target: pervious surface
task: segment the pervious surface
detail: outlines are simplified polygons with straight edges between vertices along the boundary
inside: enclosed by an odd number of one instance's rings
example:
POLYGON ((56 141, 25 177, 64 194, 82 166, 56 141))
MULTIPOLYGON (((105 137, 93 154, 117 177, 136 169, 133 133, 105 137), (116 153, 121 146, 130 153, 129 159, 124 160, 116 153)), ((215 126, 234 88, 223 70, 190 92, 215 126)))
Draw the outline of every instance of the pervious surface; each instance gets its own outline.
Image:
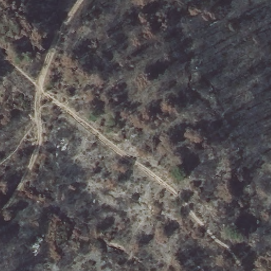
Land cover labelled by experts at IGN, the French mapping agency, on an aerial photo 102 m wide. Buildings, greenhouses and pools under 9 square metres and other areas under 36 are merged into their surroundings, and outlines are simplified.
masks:
POLYGON ((41 100, 51 98, 61 110, 66 110, 76 121, 91 128, 101 143, 115 150, 118 155, 137 157, 139 151, 126 139, 120 144, 108 140, 101 131, 98 131, 95 122, 82 118, 68 103, 59 102, 54 93, 44 89, 44 80, 50 79, 51 62, 56 52, 53 47, 64 44, 68 32, 66 24, 71 22, 84 0, 77 0, 68 18, 54 35, 52 47, 44 59, 44 67, 39 77, 34 78, 24 70, 19 66, 15 67, 36 89, 34 114, 30 114, 30 118, 37 126, 38 145, 42 144, 42 132, 46 130, 40 119, 41 100))
POLYGON ((177 191, 140 161, 134 163, 147 177, 156 180, 177 197, 177 191))

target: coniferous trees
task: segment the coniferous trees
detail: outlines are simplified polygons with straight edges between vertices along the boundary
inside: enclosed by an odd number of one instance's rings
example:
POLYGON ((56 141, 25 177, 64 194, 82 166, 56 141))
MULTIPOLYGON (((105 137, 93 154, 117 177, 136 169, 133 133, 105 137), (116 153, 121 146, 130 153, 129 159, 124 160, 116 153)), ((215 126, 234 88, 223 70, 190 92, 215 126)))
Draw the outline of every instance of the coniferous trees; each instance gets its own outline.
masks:
POLYGON ((5 59, 15 67, 19 66, 24 70, 26 66, 32 65, 31 58, 26 53, 16 54, 11 44, 13 40, 28 37, 33 47, 42 50, 40 39, 46 38, 48 34, 39 35, 35 23, 29 24, 25 21, 28 13, 24 0, 0 0, 0 48, 6 51, 5 59))
POLYGON ((128 259, 123 250, 116 247, 107 250, 107 253, 101 252, 101 258, 105 261, 102 269, 109 268, 111 271, 158 271, 165 263, 147 253, 145 245, 139 246, 138 252, 133 254, 131 259, 128 259))
POLYGON ((181 4, 181 0, 132 0, 135 5, 131 7, 131 11, 137 11, 143 33, 147 35, 150 32, 155 35, 160 32, 162 23, 170 26, 180 23, 182 17, 191 19, 193 15, 197 15, 204 21, 215 19, 215 15, 207 10, 194 8, 188 12, 181 4))
POLYGON ((145 72, 138 71, 127 80, 126 88, 129 102, 142 104, 133 114, 130 110, 121 112, 126 125, 120 128, 110 120, 114 119, 114 113, 107 95, 102 93, 101 100, 93 100, 91 90, 84 91, 87 85, 101 88, 100 76, 87 74, 76 60, 72 61, 73 51, 64 51, 64 54, 56 52, 51 62, 50 79, 44 80, 44 89, 54 93, 59 102, 68 103, 82 118, 95 122, 98 131, 101 131, 108 140, 120 144, 126 139, 139 151, 152 156, 168 171, 177 184, 177 191, 177 197, 168 205, 176 209, 176 214, 182 218, 180 228, 175 234, 178 234, 177 243, 182 252, 186 246, 193 245, 195 239, 202 248, 217 250, 220 246, 229 249, 233 243, 240 242, 239 238, 242 237, 236 233, 235 223, 230 223, 228 227, 225 225, 227 221, 224 219, 223 207, 232 200, 229 184, 218 185, 218 192, 214 194, 216 199, 207 203, 199 196, 197 188, 191 184, 195 177, 185 176, 178 167, 181 159, 176 149, 185 145, 192 150, 200 142, 200 138, 198 134, 192 134, 191 130, 186 129, 185 140, 174 145, 169 143, 167 131, 180 123, 196 123, 194 112, 179 112, 177 108, 167 105, 165 96, 157 100, 157 90, 161 84, 157 79, 149 80, 145 72))
POLYGON ((271 271, 271 245, 255 252, 257 258, 253 271, 271 271))

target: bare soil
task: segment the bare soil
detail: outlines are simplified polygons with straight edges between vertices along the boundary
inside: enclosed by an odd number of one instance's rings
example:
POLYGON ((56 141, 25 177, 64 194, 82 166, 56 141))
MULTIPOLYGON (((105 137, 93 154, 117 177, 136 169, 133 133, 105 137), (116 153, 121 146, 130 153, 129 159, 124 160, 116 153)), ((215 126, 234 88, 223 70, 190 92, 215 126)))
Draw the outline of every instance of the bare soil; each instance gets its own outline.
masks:
POLYGON ((175 234, 180 228, 182 218, 176 214, 176 209, 168 205, 177 197, 156 180, 147 177, 134 163, 140 161, 177 191, 177 184, 168 171, 152 156, 139 151, 137 157, 118 155, 115 150, 101 143, 91 128, 76 121, 66 110, 61 110, 51 98, 41 100, 40 119, 46 130, 42 132, 42 144, 38 145, 37 126, 30 118, 30 114, 34 114, 36 89, 15 67, 5 59, 6 51, 0 48, 0 271, 111 271, 109 268, 102 269, 105 261, 101 258, 101 252, 107 253, 107 250, 116 247, 123 250, 128 259, 131 259, 133 254, 138 252, 139 246, 145 245, 147 253, 165 263, 158 271, 253 271, 257 258, 255 252, 271 245, 271 0, 181 0, 181 4, 188 12, 194 8, 207 10, 215 15, 215 19, 204 21, 197 15, 193 15, 191 19, 182 17, 180 23, 170 26, 162 23, 160 32, 155 35, 150 32, 147 35, 143 33, 137 11, 131 11, 131 7, 135 5, 132 0, 84 0, 71 22, 66 24, 68 32, 64 44, 53 47, 56 52, 64 54, 64 51, 73 51, 72 61, 76 60, 87 74, 100 76, 101 88, 87 85, 84 91, 91 90, 93 100, 101 100, 102 93, 107 95, 114 113, 114 119, 110 120, 120 128, 126 125, 121 112, 130 110, 133 114, 142 104, 129 102, 126 88, 127 80, 138 71, 145 72, 149 80, 157 79, 161 84, 157 90, 157 100, 165 96, 167 105, 177 108, 179 112, 194 112, 196 123, 180 123, 167 131, 169 143, 174 145, 185 140, 186 129, 191 130, 192 134, 198 134, 200 138, 200 142, 192 150, 185 145, 176 149, 181 159, 178 167, 185 176, 195 177, 191 184, 197 188, 199 196, 207 203, 216 199, 214 194, 218 192, 218 185, 229 184, 232 200, 223 207, 224 219, 227 221, 225 225, 228 227, 230 223, 235 223, 236 233, 242 237, 239 238, 240 242, 233 243, 229 249, 220 246, 217 250, 202 248, 195 239, 193 245, 186 246, 182 252, 177 243, 178 234, 175 234))
POLYGON ((16 54, 26 53, 31 58, 32 65, 26 66, 24 70, 34 78, 39 77, 44 67, 44 59, 52 47, 54 35, 68 18, 77 0, 24 0, 28 13, 25 21, 29 24, 35 23, 39 35, 48 34, 46 38, 40 39, 42 50, 33 47, 28 37, 13 40, 11 44, 16 54))

